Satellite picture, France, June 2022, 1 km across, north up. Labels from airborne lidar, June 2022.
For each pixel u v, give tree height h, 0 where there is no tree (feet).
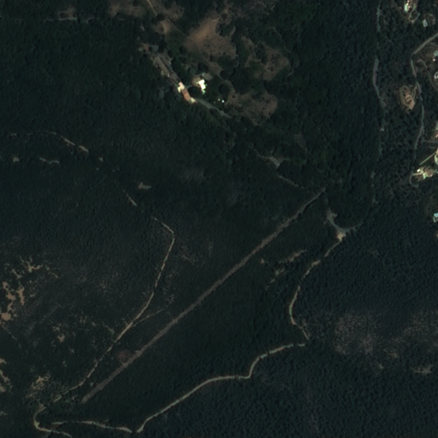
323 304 25
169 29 0
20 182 26
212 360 31
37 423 0
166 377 42
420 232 52
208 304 45
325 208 54
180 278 29
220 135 73
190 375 31
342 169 63
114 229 39
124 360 31
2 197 19
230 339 43
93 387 23
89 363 38
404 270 31
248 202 20
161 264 18
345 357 20
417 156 33
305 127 38
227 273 33
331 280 52
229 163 49
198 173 24
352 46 39
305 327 28
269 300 53
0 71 54
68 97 26
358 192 61
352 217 69
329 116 66
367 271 36
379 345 28
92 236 40
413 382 68
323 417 55
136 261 18
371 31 25
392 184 32
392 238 24
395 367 45
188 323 28
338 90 76
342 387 48
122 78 69
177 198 71
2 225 25
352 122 74
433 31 35
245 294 37
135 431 41
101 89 50
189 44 0
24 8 39
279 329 46
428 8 44
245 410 53
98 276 32
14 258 17
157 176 50
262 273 35
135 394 37
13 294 29
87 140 46
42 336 19
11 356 20
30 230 33
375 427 54
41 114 44
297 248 29
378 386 47
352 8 32
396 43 62
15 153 31
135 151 39
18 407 34
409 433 42
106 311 25
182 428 23
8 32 35
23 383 24
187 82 80
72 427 31
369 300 31
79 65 50
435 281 32
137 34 56
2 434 22
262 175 76
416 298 20
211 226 40
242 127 70
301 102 24
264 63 34
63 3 22
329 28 71
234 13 18
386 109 22
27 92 44
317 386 44
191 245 24
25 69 71
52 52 71
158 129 38
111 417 35
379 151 28
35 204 22
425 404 57
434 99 45
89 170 28
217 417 59
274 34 38
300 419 57
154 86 65
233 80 52
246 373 45
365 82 36
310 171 71
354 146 65
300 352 25
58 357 36
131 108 35
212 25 0
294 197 51
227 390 47
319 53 70
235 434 63
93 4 41
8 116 49
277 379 51
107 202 31
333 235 42
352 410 69
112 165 38
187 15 26
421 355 52
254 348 37
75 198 24
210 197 53
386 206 65
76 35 64
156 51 31
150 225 53
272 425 70
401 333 29
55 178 25
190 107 56
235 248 40
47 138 39
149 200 52
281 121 63
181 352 44
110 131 41
